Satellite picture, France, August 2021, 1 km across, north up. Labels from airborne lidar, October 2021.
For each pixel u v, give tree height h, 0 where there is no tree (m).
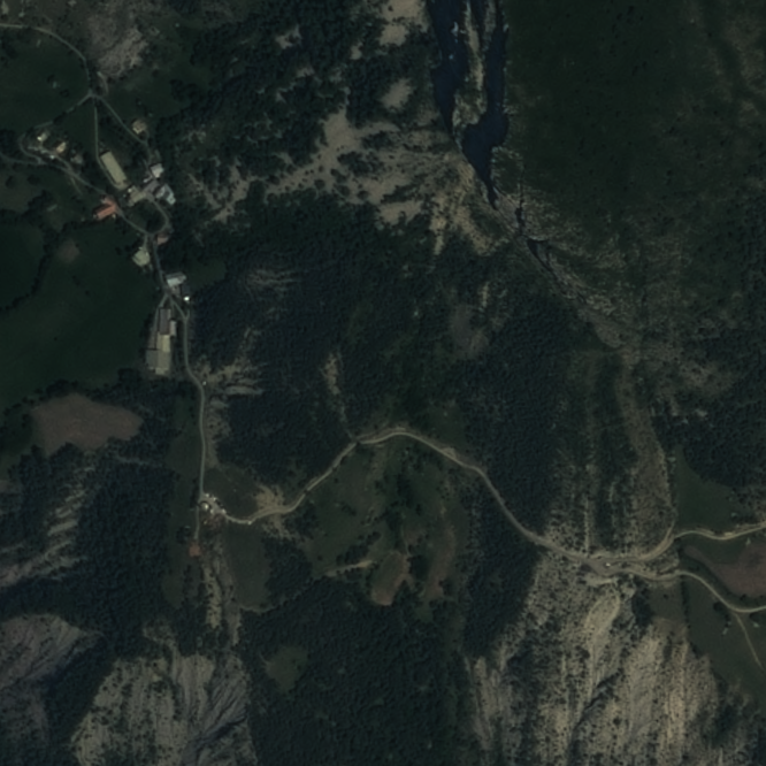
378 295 8
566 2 0
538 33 0
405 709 17
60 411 0
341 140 0
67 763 9
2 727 8
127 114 0
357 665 8
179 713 11
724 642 0
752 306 10
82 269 0
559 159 0
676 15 0
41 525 9
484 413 9
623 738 0
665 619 0
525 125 0
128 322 0
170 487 9
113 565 15
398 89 0
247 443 8
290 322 9
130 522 9
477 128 0
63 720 13
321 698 11
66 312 0
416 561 11
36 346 0
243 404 7
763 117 0
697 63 0
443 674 10
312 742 14
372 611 16
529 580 7
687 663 0
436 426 0
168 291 0
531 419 7
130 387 16
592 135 0
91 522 9
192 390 9
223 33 8
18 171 8
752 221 7
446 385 7
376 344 9
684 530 0
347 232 7
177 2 11
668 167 0
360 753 16
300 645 7
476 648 12
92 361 0
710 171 0
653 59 0
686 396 6
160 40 0
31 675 0
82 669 20
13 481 6
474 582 6
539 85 0
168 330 0
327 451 8
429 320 11
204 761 0
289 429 8
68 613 12
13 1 0
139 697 0
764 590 0
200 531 0
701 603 0
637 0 0
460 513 0
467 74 8
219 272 0
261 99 9
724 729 10
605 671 0
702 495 0
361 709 10
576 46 0
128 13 0
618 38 8
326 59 22
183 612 7
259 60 7
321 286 7
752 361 10
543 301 9
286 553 9
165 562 11
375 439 0
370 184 0
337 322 6
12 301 0
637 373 6
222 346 8
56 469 11
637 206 0
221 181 8
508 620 8
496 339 10
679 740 0
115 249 0
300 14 24
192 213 7
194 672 0
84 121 0
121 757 6
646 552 0
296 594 10
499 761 9
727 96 0
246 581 0
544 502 9
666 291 0
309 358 11
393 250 9
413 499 7
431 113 0
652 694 0
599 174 0
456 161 0
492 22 0
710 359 13
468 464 0
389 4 0
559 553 0
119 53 0
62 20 6
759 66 0
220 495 0
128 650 14
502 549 6
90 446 0
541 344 9
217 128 0
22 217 8
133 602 15
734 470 9
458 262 8
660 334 6
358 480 0
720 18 0
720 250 8
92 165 7
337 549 0
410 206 0
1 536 8
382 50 9
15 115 0
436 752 11
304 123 8
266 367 7
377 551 0
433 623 7
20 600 15
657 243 0
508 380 10
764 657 0
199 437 0
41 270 10
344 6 10
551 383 7
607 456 5
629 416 0
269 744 15
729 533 0
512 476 7
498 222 7
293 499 0
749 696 0
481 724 0
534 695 6
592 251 0
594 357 0
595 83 0
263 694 8
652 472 0
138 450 12
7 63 6
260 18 18
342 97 6
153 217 7
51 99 0
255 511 0
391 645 21
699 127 0
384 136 11
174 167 6
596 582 0
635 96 0
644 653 0
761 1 0
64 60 0
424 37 10
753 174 7
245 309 7
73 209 0
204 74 0
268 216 7
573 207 0
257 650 7
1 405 0
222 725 0
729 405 7
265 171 8
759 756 7
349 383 9
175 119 8
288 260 10
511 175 0
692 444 11
